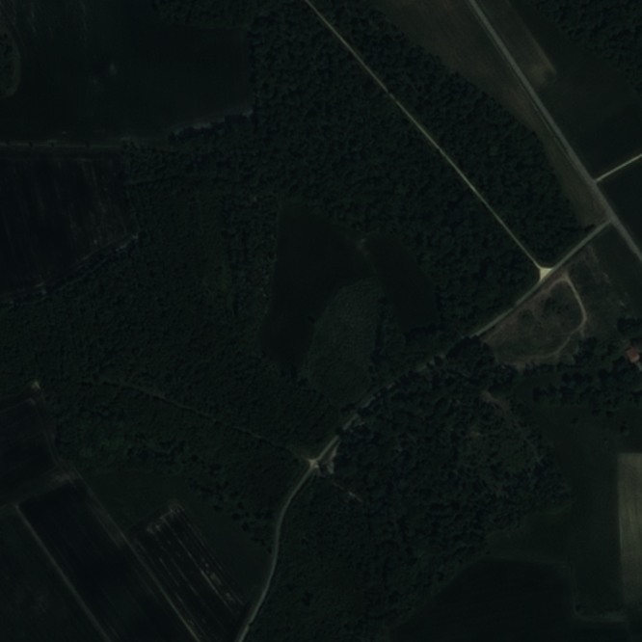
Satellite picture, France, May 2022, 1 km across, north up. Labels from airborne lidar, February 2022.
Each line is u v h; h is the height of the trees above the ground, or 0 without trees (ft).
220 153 72
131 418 25
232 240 63
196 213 65
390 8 0
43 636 0
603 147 0
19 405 0
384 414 69
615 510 0
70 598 0
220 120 0
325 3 91
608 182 0
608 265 0
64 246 0
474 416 64
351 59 84
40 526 0
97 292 26
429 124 65
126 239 0
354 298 0
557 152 0
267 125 82
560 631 0
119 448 78
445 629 0
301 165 86
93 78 0
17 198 0
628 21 77
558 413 0
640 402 77
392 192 73
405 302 0
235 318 42
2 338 49
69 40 0
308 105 60
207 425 38
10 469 0
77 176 0
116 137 0
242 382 54
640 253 0
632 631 0
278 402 45
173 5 68
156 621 0
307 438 44
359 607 34
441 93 76
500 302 89
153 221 56
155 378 65
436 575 53
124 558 0
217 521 0
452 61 0
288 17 86
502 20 0
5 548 0
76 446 72
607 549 0
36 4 0
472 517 26
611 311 0
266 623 35
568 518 0
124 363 74
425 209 67
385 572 84
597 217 0
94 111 0
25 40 0
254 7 77
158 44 0
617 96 0
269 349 0
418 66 76
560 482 80
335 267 0
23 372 36
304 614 42
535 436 21
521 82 0
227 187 68
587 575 0
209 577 0
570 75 0
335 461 0
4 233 0
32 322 42
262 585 0
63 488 0
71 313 47
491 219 75
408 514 96
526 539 0
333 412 42
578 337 0
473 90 73
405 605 58
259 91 59
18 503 0
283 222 0
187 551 0
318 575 31
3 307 36
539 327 0
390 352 83
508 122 71
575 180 0
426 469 49
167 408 29
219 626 0
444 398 61
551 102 0
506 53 0
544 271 0
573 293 0
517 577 0
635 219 0
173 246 59
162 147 0
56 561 0
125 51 0
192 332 53
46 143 0
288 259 0
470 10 0
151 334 61
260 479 42
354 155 74
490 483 0
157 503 0
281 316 0
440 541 68
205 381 57
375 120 82
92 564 0
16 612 0
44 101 0
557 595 0
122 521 0
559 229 83
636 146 0
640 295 0
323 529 33
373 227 58
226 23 72
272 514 36
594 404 75
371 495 75
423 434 26
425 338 71
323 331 0
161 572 0
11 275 0
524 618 0
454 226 89
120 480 0
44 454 0
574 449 0
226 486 60
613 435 0
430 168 67
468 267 84
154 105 0
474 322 72
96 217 0
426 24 0
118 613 0
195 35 0
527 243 87
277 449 34
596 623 0
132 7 0
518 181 39
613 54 72
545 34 0
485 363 79
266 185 89
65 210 0
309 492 25
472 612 0
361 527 53
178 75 0
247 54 0
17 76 0
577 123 0
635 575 0
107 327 43
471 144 69
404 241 57
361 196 79
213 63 0
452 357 59
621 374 84
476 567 0
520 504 81
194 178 67
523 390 0
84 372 34
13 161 0
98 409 28
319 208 63
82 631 0
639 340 42
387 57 79
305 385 83
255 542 54
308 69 83
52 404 46
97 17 0
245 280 46
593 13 69
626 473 0
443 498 28
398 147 74
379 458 92
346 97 38
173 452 68
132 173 69
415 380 74
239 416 52
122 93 0
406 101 63
